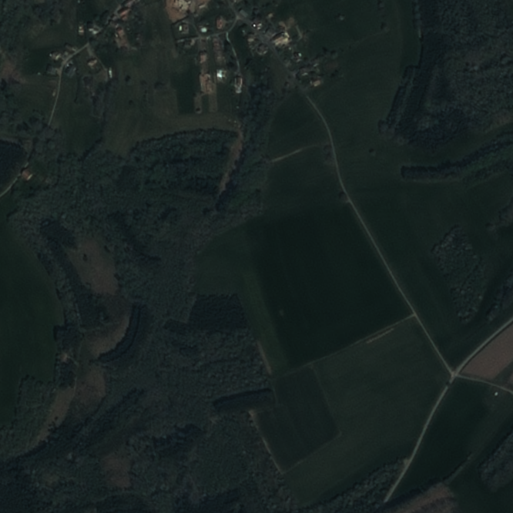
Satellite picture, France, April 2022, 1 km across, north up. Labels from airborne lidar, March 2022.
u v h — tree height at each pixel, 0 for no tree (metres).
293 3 0
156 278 13
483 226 0
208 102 0
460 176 16
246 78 0
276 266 0
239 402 19
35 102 0
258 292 0
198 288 0
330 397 0
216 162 12
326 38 0
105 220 20
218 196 24
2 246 0
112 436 17
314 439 0
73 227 15
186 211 13
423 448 0
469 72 10
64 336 25
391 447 0
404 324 0
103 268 0
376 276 0
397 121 15
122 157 0
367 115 0
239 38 0
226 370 15
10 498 22
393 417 0
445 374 0
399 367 0
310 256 0
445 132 20
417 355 0
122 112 0
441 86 18
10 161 22
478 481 0
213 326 9
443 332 0
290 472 0
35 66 0
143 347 26
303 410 0
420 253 0
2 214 0
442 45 15
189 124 0
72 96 0
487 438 0
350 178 0
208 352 16
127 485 0
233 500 10
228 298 7
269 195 0
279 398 0
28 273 0
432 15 19
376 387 0
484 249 0
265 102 33
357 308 0
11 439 16
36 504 32
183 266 13
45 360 0
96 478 24
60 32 0
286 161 0
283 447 0
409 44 0
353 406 0
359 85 0
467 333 0
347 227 0
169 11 0
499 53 14
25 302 0
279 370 0
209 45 0
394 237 0
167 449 29
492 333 0
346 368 0
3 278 0
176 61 0
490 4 17
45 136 26
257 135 27
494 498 0
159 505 26
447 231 0
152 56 0
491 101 13
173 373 10
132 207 13
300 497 0
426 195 0
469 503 0
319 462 0
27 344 0
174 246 8
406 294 0
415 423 0
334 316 0
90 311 21
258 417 0
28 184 7
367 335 0
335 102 0
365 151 0
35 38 0
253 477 14
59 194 13
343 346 0
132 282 10
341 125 0
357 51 0
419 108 13
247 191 27
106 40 0
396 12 0
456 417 0
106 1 0
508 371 0
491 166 16
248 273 0
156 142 12
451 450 0
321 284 0
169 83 0
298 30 0
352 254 0
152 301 18
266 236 0
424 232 0
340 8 0
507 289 8
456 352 0
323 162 0
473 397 0
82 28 0
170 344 19
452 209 0
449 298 0
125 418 23
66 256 22
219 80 0
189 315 14
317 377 0
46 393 12
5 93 28
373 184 0
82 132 0
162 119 0
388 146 0
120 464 0
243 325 11
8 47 12
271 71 6
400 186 0
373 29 0
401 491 0
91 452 19
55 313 0
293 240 0
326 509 16
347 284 0
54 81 0
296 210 0
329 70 0
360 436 0
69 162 12
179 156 15
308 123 0
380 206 0
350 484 0
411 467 0
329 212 0
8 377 0
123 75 0
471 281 15
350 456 0
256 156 27
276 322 0
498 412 0
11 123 13
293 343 0
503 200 0
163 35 0
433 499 0
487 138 0
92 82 0
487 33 17
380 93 0
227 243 0
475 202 0
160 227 14
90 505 16
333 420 0
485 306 0
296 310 0
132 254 24
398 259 0
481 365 0
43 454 22
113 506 7
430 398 0
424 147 23
